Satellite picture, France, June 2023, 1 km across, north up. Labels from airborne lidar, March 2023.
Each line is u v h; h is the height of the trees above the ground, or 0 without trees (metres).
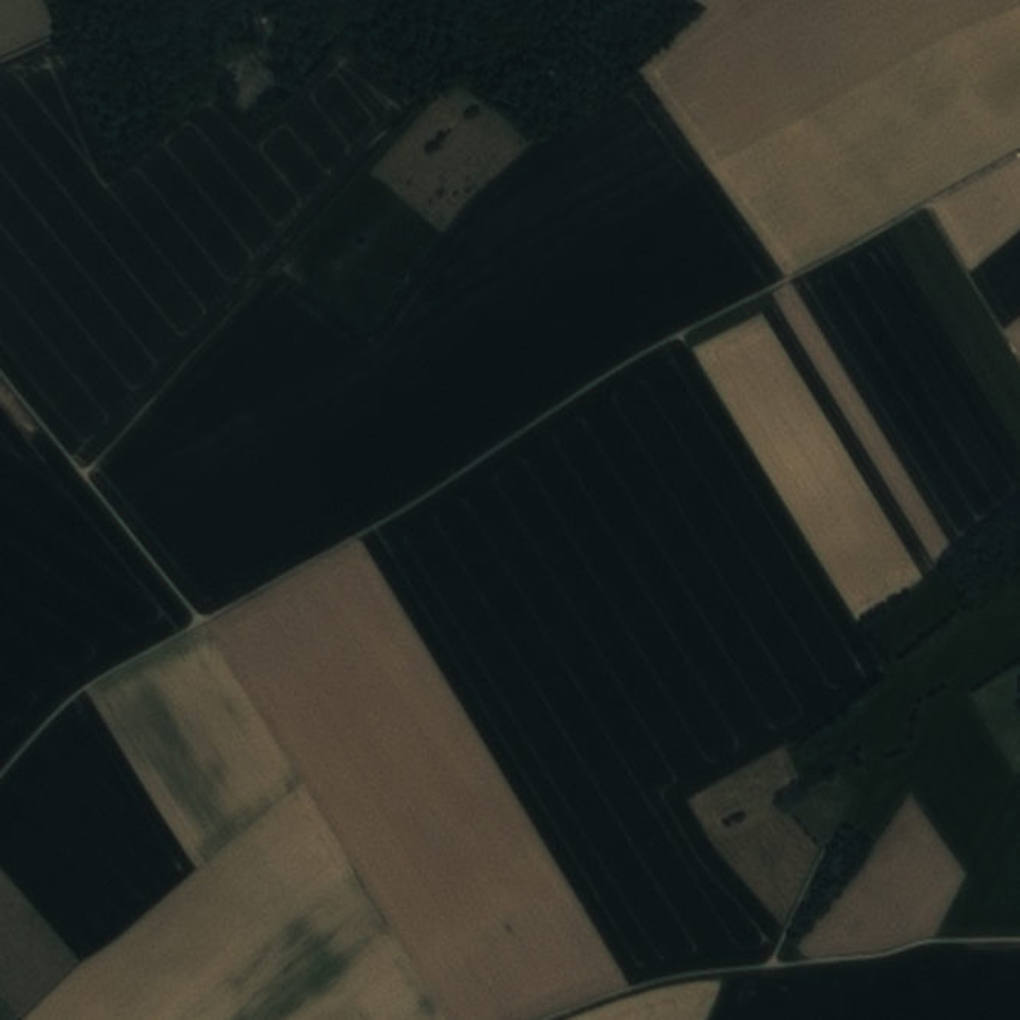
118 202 0
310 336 0
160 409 0
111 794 0
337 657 0
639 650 0
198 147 0
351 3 30
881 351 0
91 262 0
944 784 0
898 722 0
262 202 0
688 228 0
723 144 0
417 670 0
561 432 0
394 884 0
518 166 0
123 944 0
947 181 0
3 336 0
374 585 0
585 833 0
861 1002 0
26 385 0
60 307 0
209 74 26
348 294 0
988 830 0
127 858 0
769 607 0
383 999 0
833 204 0
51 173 0
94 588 0
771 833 0
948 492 0
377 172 0
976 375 0
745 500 0
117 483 0
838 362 0
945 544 0
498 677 0
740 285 0
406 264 0
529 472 0
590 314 0
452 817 0
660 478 0
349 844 0
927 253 0
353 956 0
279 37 10
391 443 0
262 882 0
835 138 0
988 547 22
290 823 0
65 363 0
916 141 0
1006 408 0
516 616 0
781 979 0
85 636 0
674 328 0
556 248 0
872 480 0
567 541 0
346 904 0
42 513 0
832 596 0
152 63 25
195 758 0
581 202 0
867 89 0
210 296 0
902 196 0
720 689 0
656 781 0
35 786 0
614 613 0
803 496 0
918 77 0
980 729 0
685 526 0
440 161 0
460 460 0
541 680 0
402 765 0
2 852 0
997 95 0
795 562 0
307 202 0
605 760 0
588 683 0
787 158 0
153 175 0
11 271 0
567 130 0
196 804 0
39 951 0
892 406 0
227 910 0
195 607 0
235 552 0
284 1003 0
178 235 0
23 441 0
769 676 0
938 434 0
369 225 0
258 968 0
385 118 0
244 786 0
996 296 0
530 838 0
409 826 0
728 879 0
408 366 0
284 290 0
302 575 0
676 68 0
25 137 0
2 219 0
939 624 6
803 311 0
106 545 0
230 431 0
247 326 0
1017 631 0
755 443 0
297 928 0
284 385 0
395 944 0
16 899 0
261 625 0
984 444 0
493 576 0
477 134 0
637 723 0
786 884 0
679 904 0
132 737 0
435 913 0
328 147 0
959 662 0
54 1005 0
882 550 0
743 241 0
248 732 0
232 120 0
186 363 0
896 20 0
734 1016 0
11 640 0
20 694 0
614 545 0
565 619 0
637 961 0
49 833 0
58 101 0
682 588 0
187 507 0
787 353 0
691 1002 0
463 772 0
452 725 0
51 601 0
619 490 0
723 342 0
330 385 0
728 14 0
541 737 0
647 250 0
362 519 0
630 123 0
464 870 0
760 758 0
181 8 31
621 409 0
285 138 0
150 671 0
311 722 0
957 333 0
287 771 0
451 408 0
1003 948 0
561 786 0
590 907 0
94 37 18
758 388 0
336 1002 0
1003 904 0
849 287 0
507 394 0
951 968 0
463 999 0
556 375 0
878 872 0
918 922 0
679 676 0
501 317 0
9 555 0
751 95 0
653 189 0
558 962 0
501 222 0
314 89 0
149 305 0
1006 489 0
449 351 0
